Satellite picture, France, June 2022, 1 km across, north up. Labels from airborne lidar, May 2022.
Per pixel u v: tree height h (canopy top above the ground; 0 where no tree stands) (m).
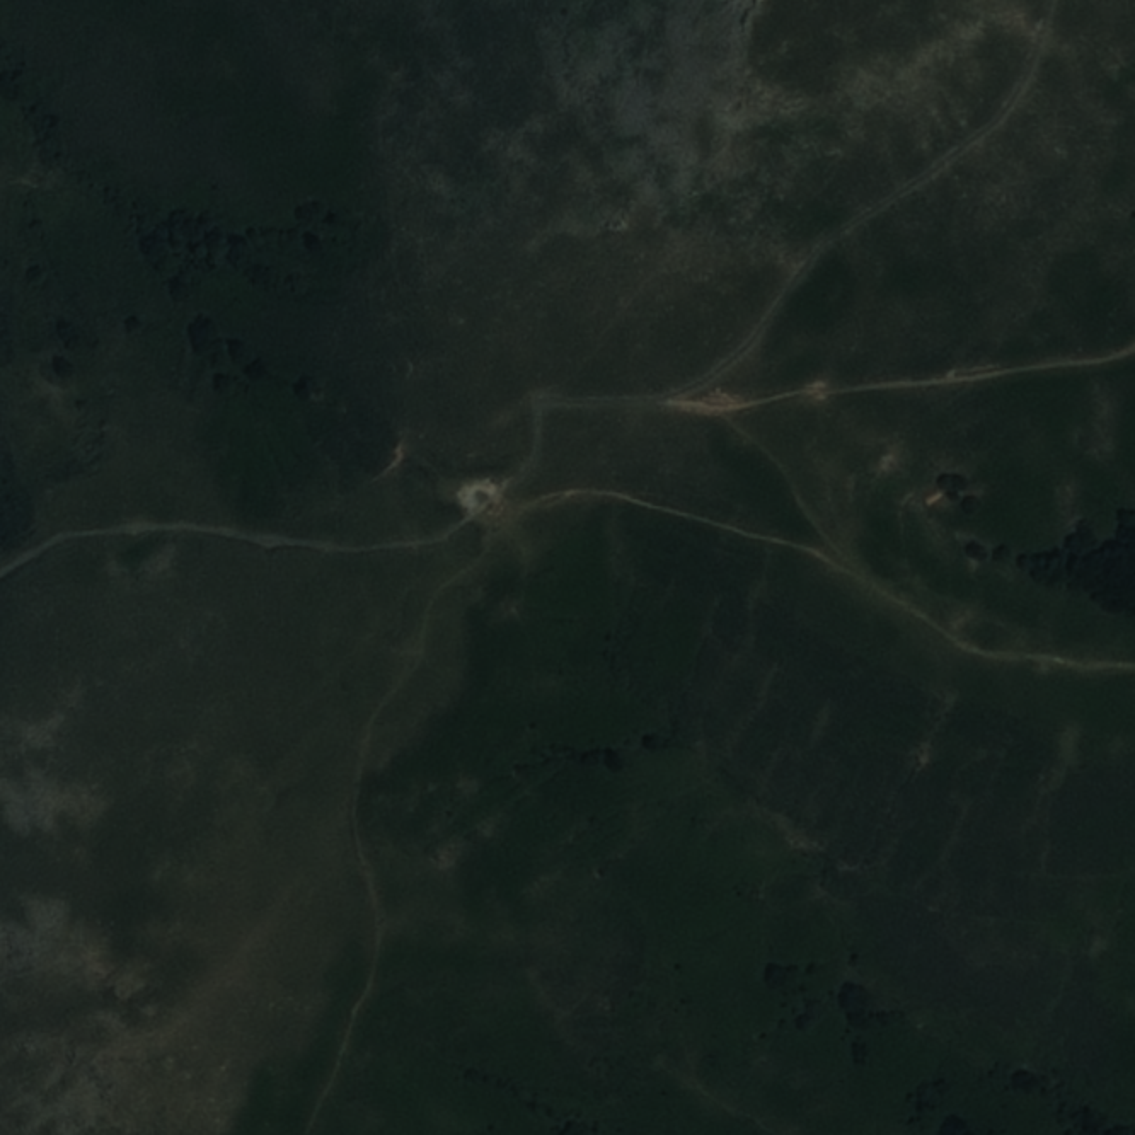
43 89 0
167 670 0
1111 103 0
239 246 25
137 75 0
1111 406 0
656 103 0
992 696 0
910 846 0
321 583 0
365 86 0
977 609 0
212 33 0
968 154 0
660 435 0
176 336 0
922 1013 0
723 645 0
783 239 0
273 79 0
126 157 0
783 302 0
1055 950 0
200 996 0
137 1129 0
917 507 0
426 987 0
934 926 0
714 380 0
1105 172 0
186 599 0
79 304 0
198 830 0
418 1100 0
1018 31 0
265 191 0
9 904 0
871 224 0
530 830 0
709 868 0
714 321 0
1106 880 0
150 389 0
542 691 0
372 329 0
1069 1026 0
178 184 0
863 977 0
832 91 0
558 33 0
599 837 0
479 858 0
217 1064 0
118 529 0
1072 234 0
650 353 0
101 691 0
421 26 0
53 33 0
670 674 0
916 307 0
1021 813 0
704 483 0
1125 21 0
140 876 0
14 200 0
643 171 0
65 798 0
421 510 0
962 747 0
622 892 0
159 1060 0
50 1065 0
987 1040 0
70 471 0
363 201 0
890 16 0
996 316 0
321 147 0
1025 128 0
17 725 0
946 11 0
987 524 0
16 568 0
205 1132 0
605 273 0
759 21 0
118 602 0
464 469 0
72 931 0
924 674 0
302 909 0
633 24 0
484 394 0
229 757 0
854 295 0
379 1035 0
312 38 0
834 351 0
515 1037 0
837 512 0
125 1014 0
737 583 0
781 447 0
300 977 0
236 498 0
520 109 0
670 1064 0
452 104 0
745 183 0
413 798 0
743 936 0
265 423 0
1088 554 20
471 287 0
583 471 0
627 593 0
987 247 0
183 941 0
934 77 0
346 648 0
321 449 0
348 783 0
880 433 0
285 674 0
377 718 0
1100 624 0
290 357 0
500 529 0
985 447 0
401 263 0
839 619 0
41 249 0
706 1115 0
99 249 0
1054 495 0
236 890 0
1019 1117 0
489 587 0
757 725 0
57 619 0
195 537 0
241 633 0
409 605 0
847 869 0
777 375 0
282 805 0
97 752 0
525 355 0
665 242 0
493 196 0
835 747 0
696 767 0
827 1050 0
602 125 0
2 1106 0
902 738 0
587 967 0
